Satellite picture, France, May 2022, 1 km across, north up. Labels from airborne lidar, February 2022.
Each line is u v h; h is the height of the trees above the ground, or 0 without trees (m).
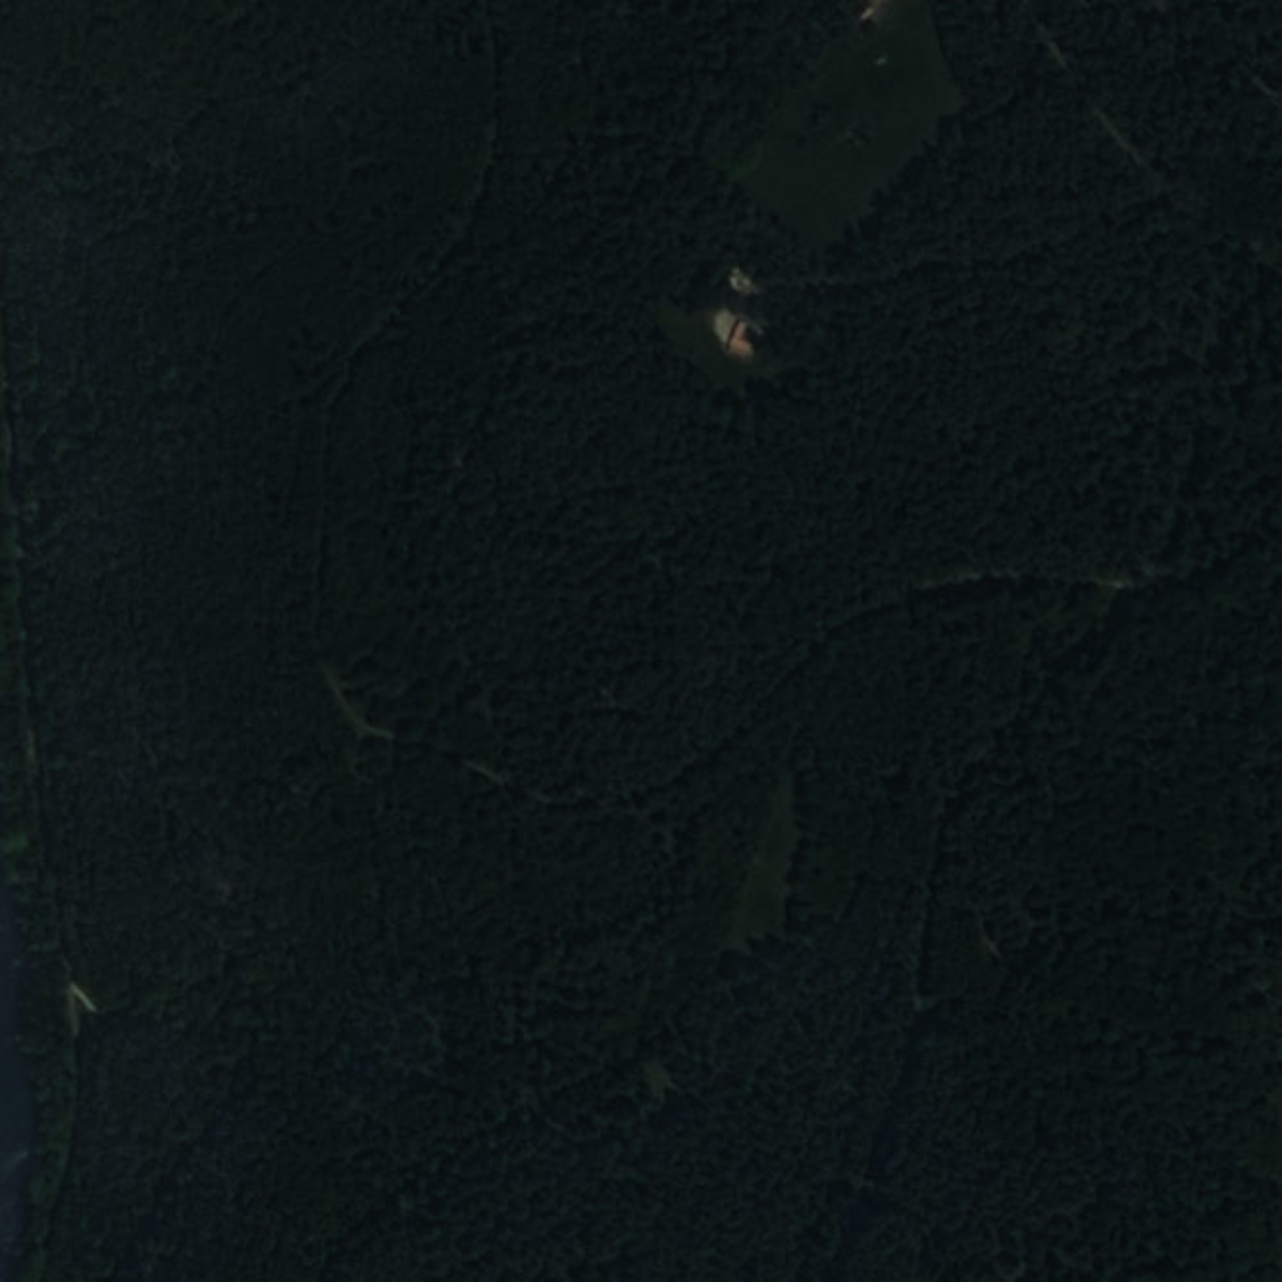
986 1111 31
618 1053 18
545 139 19
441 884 8
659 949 26
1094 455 26
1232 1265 29
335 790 12
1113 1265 9
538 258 18
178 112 17
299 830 11
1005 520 27
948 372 28
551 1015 26
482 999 22
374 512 16
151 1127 17
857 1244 31
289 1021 27
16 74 22
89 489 18
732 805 21
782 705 25
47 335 28
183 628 18
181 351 14
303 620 16
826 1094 33
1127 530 30
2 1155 0
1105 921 30
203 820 14
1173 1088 30
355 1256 28
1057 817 28
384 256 10
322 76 28
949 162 16
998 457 27
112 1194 12
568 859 19
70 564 26
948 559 32
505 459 29
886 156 0
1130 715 23
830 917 20
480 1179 35
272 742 16
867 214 0
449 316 14
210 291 17
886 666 16
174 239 23
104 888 27
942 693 29
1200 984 31
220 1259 20
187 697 18
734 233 25
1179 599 29
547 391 29
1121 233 29
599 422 28
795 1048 36
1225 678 22
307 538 17
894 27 0
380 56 23
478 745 11
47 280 27
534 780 19
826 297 23
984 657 30
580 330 21
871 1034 36
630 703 28
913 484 20
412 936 12
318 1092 24
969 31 30
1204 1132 28
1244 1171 25
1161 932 29
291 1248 15
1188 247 29
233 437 16
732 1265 29
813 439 27
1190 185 28
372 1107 25
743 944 0
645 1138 30
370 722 11
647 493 30
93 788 25
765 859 0
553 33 16
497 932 16
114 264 25
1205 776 30
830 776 19
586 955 29
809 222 0
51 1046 28
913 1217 33
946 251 30
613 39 13
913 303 21
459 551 14
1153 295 31
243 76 18
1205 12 27
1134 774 30
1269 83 32
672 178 31
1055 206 25
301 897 13
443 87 21
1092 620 27
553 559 8
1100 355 37
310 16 21
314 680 17
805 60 19
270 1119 27
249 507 18
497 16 13
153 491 18
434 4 31
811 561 25
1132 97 31
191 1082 12
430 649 16
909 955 19
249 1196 18
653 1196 33
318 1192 16
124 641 26
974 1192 33
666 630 27
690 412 28
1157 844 32
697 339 0
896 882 22
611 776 23
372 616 15
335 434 18
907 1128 25
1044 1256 12
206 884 11
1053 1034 30
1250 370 34
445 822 18
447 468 26
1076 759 27
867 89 0
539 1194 32
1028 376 25
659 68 17
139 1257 27
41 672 27
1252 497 28
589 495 27
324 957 16
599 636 22
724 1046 30
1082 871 29
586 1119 12
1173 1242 22
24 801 19
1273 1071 28
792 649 23
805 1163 43
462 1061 25
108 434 23
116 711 28
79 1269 25
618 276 27
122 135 26
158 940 23
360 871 13
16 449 10
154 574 23
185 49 18
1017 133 24
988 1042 26
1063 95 21
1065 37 21
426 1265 22
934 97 0
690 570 28
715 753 14
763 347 24
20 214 27
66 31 22
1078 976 30
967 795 27
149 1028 27
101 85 19
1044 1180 34
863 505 28
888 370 25
